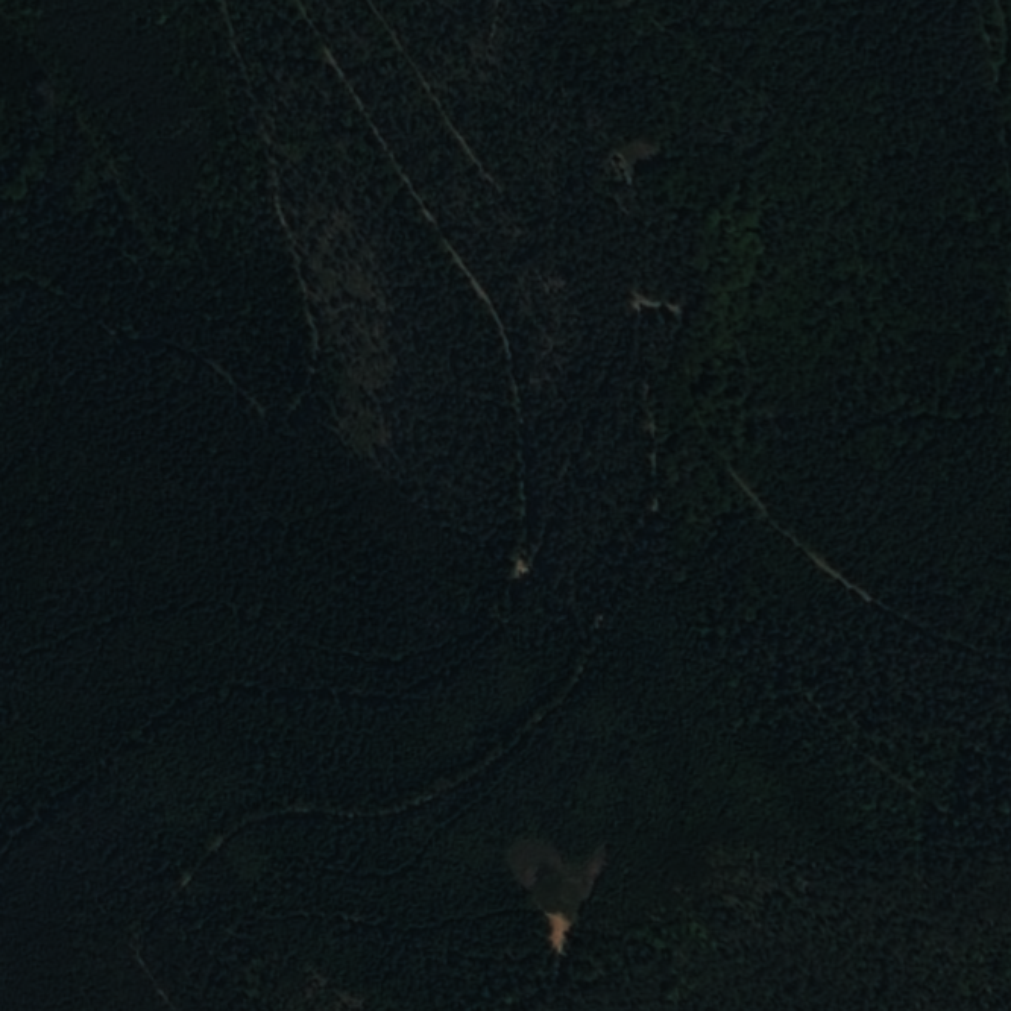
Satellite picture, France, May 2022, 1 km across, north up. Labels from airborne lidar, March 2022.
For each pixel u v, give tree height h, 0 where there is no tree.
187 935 21
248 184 13
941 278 28
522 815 6
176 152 12
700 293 29
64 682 17
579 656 20
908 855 13
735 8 20
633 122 30
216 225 10
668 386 13
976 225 28
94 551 19
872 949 29
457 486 27
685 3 25
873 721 9
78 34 11
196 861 11
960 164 24
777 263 16
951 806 12
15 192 32
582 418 24
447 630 20
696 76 19
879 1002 17
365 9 6
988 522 17
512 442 15
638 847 6
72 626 19
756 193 26
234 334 25
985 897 18
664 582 15
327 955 10
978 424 24
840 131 14
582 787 5
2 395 22
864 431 30
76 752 18
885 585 17
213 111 13
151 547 22
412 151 12
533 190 8
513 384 11
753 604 22
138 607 24
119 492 22
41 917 15
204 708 18
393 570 21
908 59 32
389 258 24
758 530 18
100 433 24
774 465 20
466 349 22
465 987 10
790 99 20
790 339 19
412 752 15
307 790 13
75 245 37
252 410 31
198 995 19
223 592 21
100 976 18
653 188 15
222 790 7
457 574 18
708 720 17
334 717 20
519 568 0
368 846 17
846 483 24
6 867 18
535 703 9
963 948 25
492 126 7
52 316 33
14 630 23
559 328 26
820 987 30
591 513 26
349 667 21
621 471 7
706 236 30
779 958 29
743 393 26
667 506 13
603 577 26
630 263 26
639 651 16
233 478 28
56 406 24
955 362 24
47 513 20
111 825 20
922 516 21
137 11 10
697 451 12
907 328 23
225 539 28
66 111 23
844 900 16
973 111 32
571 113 13
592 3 20
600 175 26
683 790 10
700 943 24
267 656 24
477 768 10
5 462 22
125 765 9
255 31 10
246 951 8
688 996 31
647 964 19
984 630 23
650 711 7
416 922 21
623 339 16
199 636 22
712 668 19
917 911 22
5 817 7
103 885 19
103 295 35
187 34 13
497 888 14
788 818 8
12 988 17
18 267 25
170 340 25
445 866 13
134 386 34
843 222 18
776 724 13
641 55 24
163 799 6
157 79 13
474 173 16
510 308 24
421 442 22
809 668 26
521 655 12
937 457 23
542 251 22
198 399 27
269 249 15
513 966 22
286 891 13
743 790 8
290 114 31
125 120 12
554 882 0
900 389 21
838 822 7
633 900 7
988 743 9
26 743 9
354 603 25
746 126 16
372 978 16
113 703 14
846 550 16
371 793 16
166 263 18
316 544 25
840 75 23
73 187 28
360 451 33
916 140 25
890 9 31
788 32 20
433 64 28
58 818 19
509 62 8
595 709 7
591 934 8
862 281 21
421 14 13
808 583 13
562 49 16
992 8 20
